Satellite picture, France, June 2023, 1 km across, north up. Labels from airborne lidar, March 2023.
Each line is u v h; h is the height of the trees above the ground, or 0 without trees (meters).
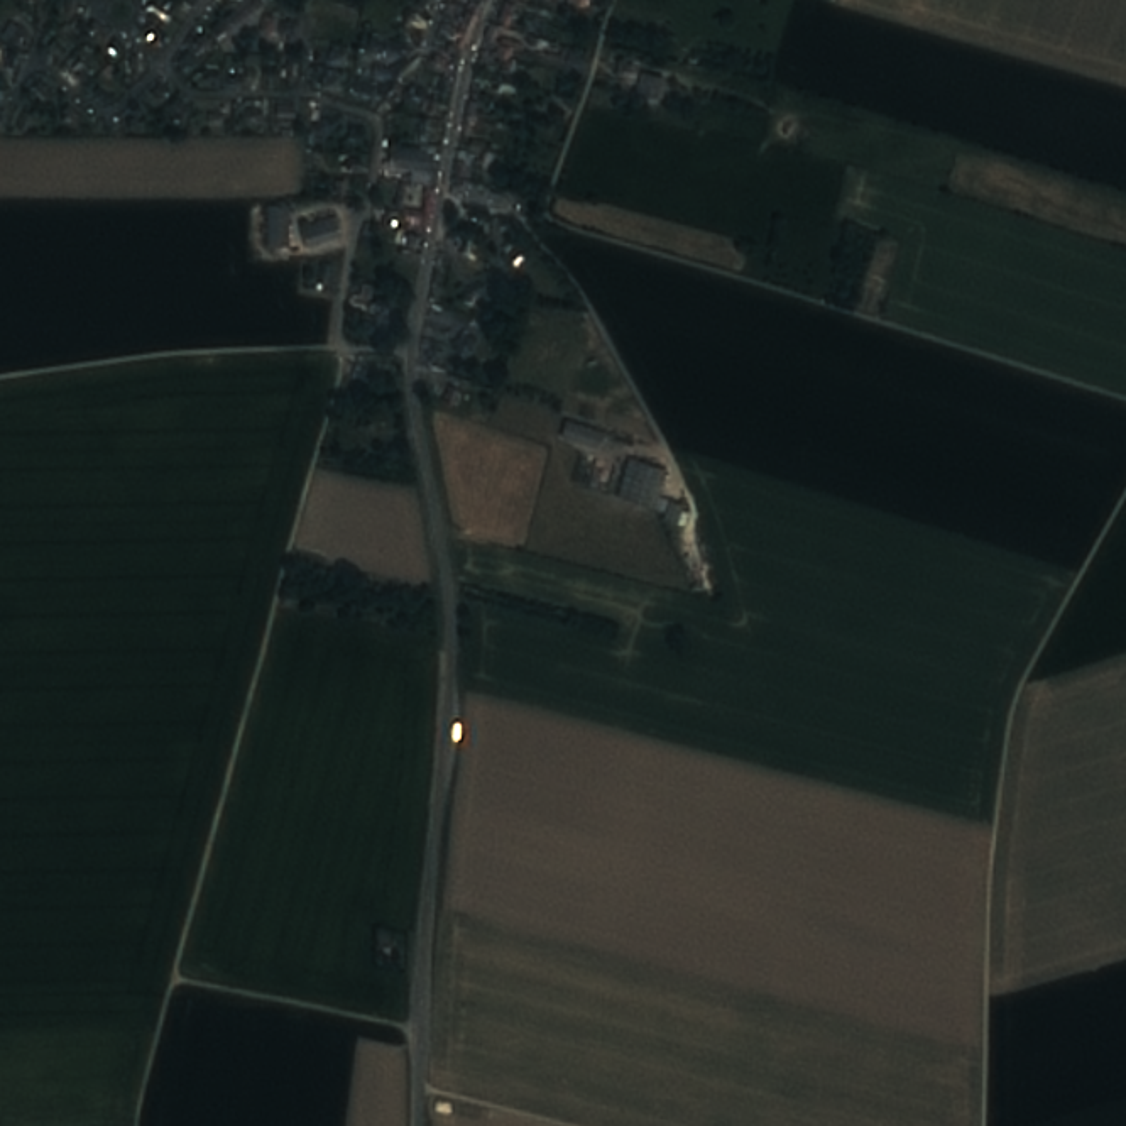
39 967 0
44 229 0
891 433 0
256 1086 0
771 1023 0
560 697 0
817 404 0
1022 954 0
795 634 0
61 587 0
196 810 0
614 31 15
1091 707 0
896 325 0
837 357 0
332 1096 0
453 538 0
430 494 0
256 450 0
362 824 0
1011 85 0
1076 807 0
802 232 0
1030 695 0
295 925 0
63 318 0
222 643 0
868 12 0
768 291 0
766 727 0
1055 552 0
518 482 0
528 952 0
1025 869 0
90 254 0
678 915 0
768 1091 0
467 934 0
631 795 0
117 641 0
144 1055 0
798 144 0
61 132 7
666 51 6
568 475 0
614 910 0
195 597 0
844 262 9
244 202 0
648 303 0
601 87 7
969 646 0
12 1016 0
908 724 0
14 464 0
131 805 0
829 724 0
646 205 0
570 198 0
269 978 0
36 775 0
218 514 0
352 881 0
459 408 0
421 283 0
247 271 0
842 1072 0
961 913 0
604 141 0
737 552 0
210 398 0
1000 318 0
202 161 0
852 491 0
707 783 0
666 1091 0
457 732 0
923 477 0
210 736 0
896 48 0
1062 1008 0
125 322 0
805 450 0
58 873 0
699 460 0
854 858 0
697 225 0
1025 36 0
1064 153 0
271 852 0
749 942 0
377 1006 0
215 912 0
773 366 0
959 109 0
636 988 0
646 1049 0
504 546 0
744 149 0
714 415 0
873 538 0
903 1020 0
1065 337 0
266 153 0
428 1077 0
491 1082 0
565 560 0
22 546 0
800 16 0
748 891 0
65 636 0
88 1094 0
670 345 0
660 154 0
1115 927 0
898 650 0
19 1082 0
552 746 0
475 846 0
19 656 0
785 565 0
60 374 0
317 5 0
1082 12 0
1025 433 0
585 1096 0
